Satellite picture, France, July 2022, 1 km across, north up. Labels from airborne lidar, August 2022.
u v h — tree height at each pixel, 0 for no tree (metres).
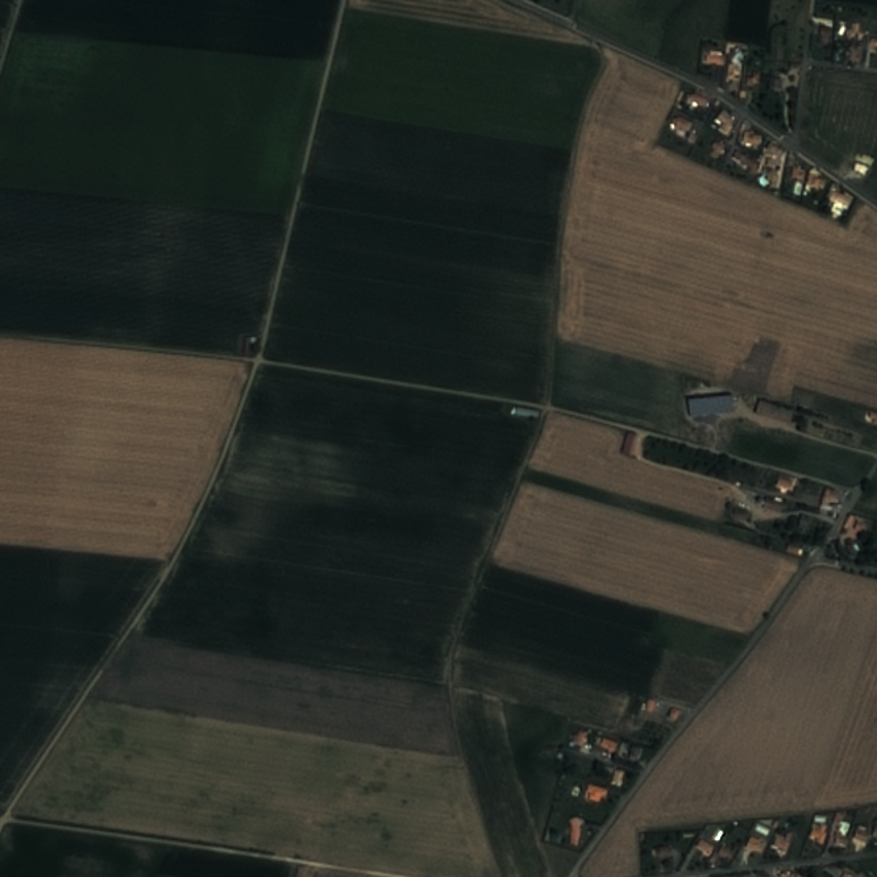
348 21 0
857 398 0
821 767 0
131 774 0
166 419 0
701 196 0
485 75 0
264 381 0
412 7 0
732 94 6
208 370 0
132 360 0
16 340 0
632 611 0
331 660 0
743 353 0
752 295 0
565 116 0
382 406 0
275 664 0
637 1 0
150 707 0
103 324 0
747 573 0
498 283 0
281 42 0
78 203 0
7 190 0
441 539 0
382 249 0
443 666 0
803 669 0
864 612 0
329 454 0
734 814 0
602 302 0
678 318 0
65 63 0
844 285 0
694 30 0
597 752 0
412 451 0
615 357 0
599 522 0
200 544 0
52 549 0
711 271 0
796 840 0
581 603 0
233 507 0
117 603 0
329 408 0
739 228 0
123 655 0
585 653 0
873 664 0
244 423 0
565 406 0
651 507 0
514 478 0
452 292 0
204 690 0
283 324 0
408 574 0
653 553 0
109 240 0
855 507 0
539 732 0
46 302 0
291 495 0
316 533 0
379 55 0
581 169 0
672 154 0
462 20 0
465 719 0
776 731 0
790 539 8
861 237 0
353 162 0
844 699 0
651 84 0
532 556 0
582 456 0
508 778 0
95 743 0
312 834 0
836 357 0
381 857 0
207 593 0
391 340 0
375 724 0
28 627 0
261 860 0
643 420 0
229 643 0
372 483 0
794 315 0
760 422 0
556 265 0
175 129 0
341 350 0
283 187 0
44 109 0
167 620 0
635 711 0
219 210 0
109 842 0
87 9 0
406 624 0
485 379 0
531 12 0
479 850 0
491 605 0
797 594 0
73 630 0
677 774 0
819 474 0
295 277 0
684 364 0
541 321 0
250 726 0
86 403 0
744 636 0
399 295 0
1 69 0
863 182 0
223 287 0
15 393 0
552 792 0
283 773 0
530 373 0
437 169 0
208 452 0
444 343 0
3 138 0
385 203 0
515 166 0
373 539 0
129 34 0
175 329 0
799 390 0
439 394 0
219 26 0
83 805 0
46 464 0
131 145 0
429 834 0
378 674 0
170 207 0
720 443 0
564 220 0
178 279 0
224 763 0
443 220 0
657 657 0
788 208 0
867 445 0
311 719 0
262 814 0
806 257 0
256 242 0
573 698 0
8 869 0
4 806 0
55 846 0
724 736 0
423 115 0
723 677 0
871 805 0
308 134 0
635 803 0
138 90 0
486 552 0
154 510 0
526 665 0
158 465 0
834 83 0
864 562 7
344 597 0
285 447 0
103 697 0
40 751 0
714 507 0
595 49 0
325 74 0
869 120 0
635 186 0
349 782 0
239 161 0
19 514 0
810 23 6
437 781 0
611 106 0
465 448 0
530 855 0
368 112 0
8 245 0
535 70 0
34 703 0
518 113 0
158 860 0
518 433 0
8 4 0
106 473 0
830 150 0
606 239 0
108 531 0
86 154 0
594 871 0
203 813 0
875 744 0
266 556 0
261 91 0
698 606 0
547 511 0
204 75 0
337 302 0
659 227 0
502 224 0
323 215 0
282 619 0
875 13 0
